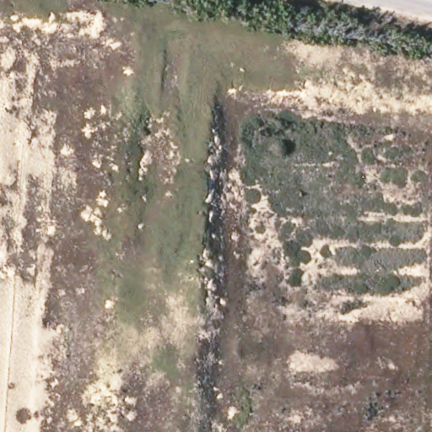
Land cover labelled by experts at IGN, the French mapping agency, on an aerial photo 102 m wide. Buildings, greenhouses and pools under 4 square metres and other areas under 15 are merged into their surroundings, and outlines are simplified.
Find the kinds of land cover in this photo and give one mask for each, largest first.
<instances>
[{"label":"herbaceous vegetation","instance_id":"1","mask_svg":"<svg viewBox=\"0 0 432 432\"><path fill-rule=\"evenodd\" d=\"M105 3L100 0H0V19L5 15L12 17L17 13H24L27 19L44 20L49 24H67L69 19L66 13L69 12H88L93 15L101 13L106 35L120 42V47L113 49L110 56L98 61V69L86 66L83 62L76 66L57 67L56 81L47 83L49 91H56V96L40 98L47 111L56 113V135L52 140V152L61 150L62 147L73 148V154L76 155L74 172L76 182V194L79 197L98 199L100 192H106L108 201L101 211V228L110 233V240L94 235V223L91 221H84L81 224V229H84L81 238L84 241V251L91 250L96 256V294L103 295L108 300L110 289L115 285L120 289V297L116 304L127 312H132L135 305H142L145 302V292L148 289H145V268H160L162 280L170 285L177 275V267L181 260L194 258V262H201L202 251L206 250L202 246V233L204 211L208 204L206 196L211 194V191H208L206 186L204 165L208 164V128L211 123L214 96V89L228 93V89L231 88L236 89V93H258L268 89L290 91L294 88V81L305 84L295 73L294 64L299 57L285 51V44L292 40L289 34H268L267 29L253 32L248 29L246 20L228 17L226 10H218L216 17L209 19L208 22H197V12L187 5L186 0H159L155 7L123 3L120 7L113 5L105 8ZM150 116L164 118L165 128L175 133L174 143L181 148V164L177 165L172 184H155L147 181L145 177L143 181H138L140 160L145 154L142 140L147 137L143 133V128L148 127ZM363 152L364 162L370 164L381 175L383 182L405 187L407 170L412 169L415 172L412 181L420 184V196L432 202V133L420 132L418 128L413 127H375V135L368 138V143H363L359 137L354 140ZM260 165L267 169V175L260 177L255 184H262V189L246 192V201L255 204L260 201V197L267 196L270 208L277 214L275 231L285 255L289 256V262L292 263L290 285L295 287L302 283L300 263H309L310 255L307 251H302V246L312 245L314 240L332 238L364 240L371 243L390 241V248H337V265L358 268V273H336L329 277L317 275L316 290H346L348 294L390 295L402 294L422 283L420 278L413 275H400V268L420 265L425 260V251L402 250L400 243H415L424 236L425 229L420 223L359 221V216H366L370 211L397 214V204L385 201L380 187L366 181L361 187L336 182L337 167H334V162H309L305 159L304 152L285 155L278 143H272L260 162ZM209 272L214 283V304L223 314L221 319L213 322V327L219 329V334L202 341L199 351L187 359L184 370H177V348L172 344L160 349L152 363L142 366L138 361H132L130 370L118 368V375L121 378L118 393L121 397H127L125 408L128 410V417H118V427H121L123 432H366L376 415L390 417L393 410H405L410 413L407 432H432V312L429 314L430 322H424L422 319L405 322L359 319L354 324L339 321L332 322L331 334H314V326L305 319H300L302 324H287V314L280 312L282 305H289L287 292L280 287L282 273L278 272V268L272 267V263L262 262V270L267 272V282L256 283L255 277L248 270V263L231 256L228 267L224 268L223 256H214ZM294 353L314 354L319 358L332 359L336 363V370L295 373L289 366L290 356Z\"/></svg>","mask_w":432,"mask_h":432},{"label":"bare soil","instance_id":"2","mask_svg":"<svg viewBox=\"0 0 432 432\"><path fill-rule=\"evenodd\" d=\"M285 51L299 57L294 64L295 73L305 84L294 81V88L290 91L268 89L258 93H236V89L231 88L228 89V93L231 98L246 106V118L260 115L265 111L282 113L289 110L290 113L302 118L375 127H413L418 128L420 132L432 133V56L415 61L403 56H383L381 51H368L366 46H316L292 40L285 44ZM228 138V130L223 103L214 96L211 123L208 128V164L204 165L206 186L208 191H211V194L206 196L208 204L204 211L202 233V246L206 250L202 251L201 262H194V258L181 260L177 267V275L170 285L162 280L160 268H145V289H148L145 292V302L142 305H135L132 312H127L116 304L120 297V289L115 285L110 289L108 300L103 295L96 294V256L91 250L84 251V241L81 238L84 229H81V224L84 221H91L94 223V235L110 240V233L101 228V211L108 201L106 192H100L98 199L79 197L76 194V182L51 192V218L56 219V231L47 240V248L52 250L49 272L51 287L47 292L42 327H57L61 329V336L52 339L49 353L39 354V361L49 359L52 364L51 375L46 378L47 398L44 402L47 407H52V422H42L40 432H88L86 415L93 407V403H83V393L89 385L98 381L94 341L113 343L116 337H120L116 326L120 322L135 327L143 334L148 327L155 329L159 326L162 316L169 312L177 322L170 337L172 344L177 348V370H184L187 359L199 351L202 341L219 334V329L213 327V322L221 319L223 314L214 304V283L209 272L214 256H223L224 268L228 267L231 256L248 263V270L255 277L256 283L267 282V272L262 270V262L272 263V267L278 268V272L282 273L280 287L287 292L289 305H282L280 312L287 314V324H302L300 319H305L314 326V334H331L332 322L339 321L354 324L359 319L405 322L422 319L424 322H430L429 314L432 312V202L420 196V184L412 181L415 172L412 169L407 170L405 187L383 182L381 175L370 164L364 162L363 152L354 140L351 135L346 137L349 147L356 152L354 169L359 174L363 172L366 181L380 187L385 201L397 204V214L370 211L366 216H359V221L420 223L425 229L424 236L415 243H400L402 250L425 251V260L420 265L400 268V275H413L420 278L422 283L402 294L390 295L348 294L346 290H316L317 275L329 277L336 273H358V268L337 265V248H390V241L371 243L364 240L332 238L314 240L312 245L302 246V251H307L310 255L309 263H300L302 283L295 287L290 285L292 263L289 262V256L285 255L275 231L277 214L270 208L267 196L260 197V201L255 204L246 201V192L262 189V184H243L241 181L240 172L246 162L243 143L236 145L235 159L228 152L221 150ZM143 133L147 137L142 140L145 154L140 160L138 181H143L145 177L147 181L155 184H172L177 165L181 164V148L174 143L175 133L165 128L164 118L150 116L148 127L143 128ZM73 148L62 147L61 150L52 152L56 167L74 172L76 155L73 154ZM289 366L295 373L336 370V363L332 359L319 358L314 354L294 353L290 356ZM410 413L405 410H393L390 417L376 415L366 432H407Z\"/></svg>","mask_w":432,"mask_h":432},{"label":"pervious surface","instance_id":"3","mask_svg":"<svg viewBox=\"0 0 432 432\"><path fill-rule=\"evenodd\" d=\"M348 3L353 7L378 8L380 12L395 13L397 19L405 17L410 22L432 25V0H327ZM69 19L67 24H49L44 20L27 19L24 13H17L12 17L5 15L0 19V432H40L42 422H52V407H47L44 402L47 398L46 378L51 375L52 364L49 359L39 361V354L49 353L52 339L61 336V329L57 327H42L47 292L51 287L49 272L52 250L47 248V240L56 231V219L51 218V192L76 182L74 172L56 167L52 152V140L56 135V113L47 111L40 98L56 96V91H49L47 83L56 81L57 67L76 66L83 62L86 66L98 69V61L110 56L113 49L120 47V42L106 35L101 13L93 15L88 12H69L66 13ZM177 322L169 312L162 316L159 326L155 329L148 327L143 334L135 327L120 322L116 326L120 337H116L113 343L94 341L98 381L89 385L83 393V403H93V407L86 415L88 432H123L121 427H118V417H128V410L125 408L127 397H121L118 393L121 378L118 375V368L130 370L132 361H138L142 366L152 363L160 349L172 344L170 337Z\"/></svg>","mask_w":432,"mask_h":432},{"label":"brushwood","instance_id":"4","mask_svg":"<svg viewBox=\"0 0 432 432\"><path fill-rule=\"evenodd\" d=\"M105 3V8L113 5L120 7L123 3L155 7L159 0H100ZM187 5L197 12V22H208L209 19L216 17L218 10H226L228 17L246 20L248 29L253 32L267 29L268 34H289L292 40L316 46H366L368 51H381L383 56H403L415 61L432 56V25L410 22L405 17L397 19L395 13L380 12L378 8L353 7L348 3L327 0H186ZM214 96L223 103L228 130V138L221 150L228 152L235 159L236 145L243 143L246 162L240 172L241 181L243 184H255L260 177L267 175V169L260 165V162L272 143H278L285 155L304 152L305 159L309 162H334V167H337L336 182L361 187L366 181L363 172L359 174L354 169L356 152L349 147L346 137L351 135L354 140L359 137L363 143H368V138L375 135V127L302 118L290 113L289 110L282 113L265 111L260 115L246 118V106L231 98L228 93L214 89Z\"/></svg>","mask_w":432,"mask_h":432}]
</instances>
